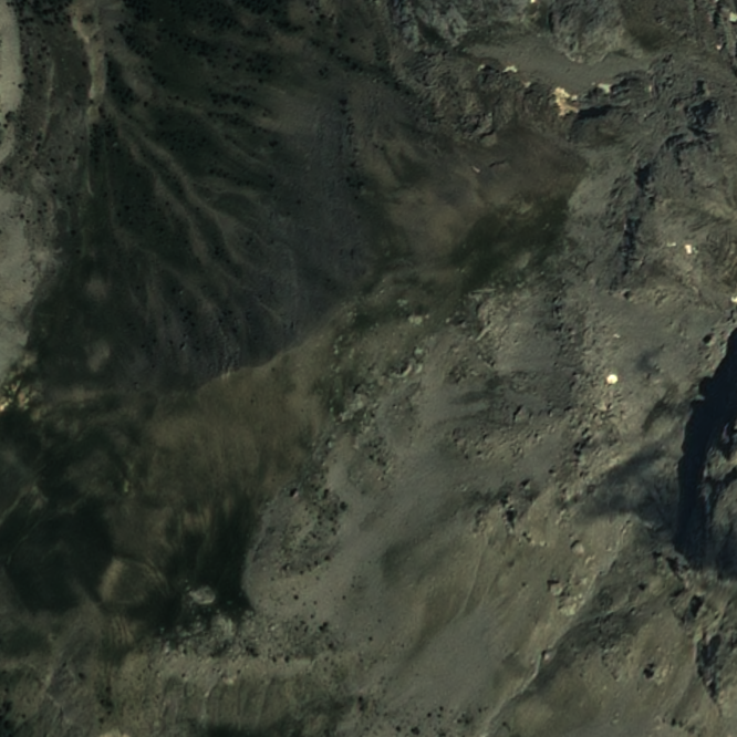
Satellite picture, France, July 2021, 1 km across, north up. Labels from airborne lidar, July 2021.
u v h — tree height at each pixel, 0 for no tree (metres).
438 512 0
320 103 0
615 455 0
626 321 0
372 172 0
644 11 0
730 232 0
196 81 0
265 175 0
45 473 0
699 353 0
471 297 0
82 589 0
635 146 0
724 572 0
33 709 0
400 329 0
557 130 0
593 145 0
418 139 0
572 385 0
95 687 0
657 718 0
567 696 0
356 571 0
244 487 0
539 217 0
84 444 0
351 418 0
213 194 0
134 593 0
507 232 0
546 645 0
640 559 0
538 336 0
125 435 0
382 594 0
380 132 0
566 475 0
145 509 0
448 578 0
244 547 0
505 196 0
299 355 0
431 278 0
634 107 0
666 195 0
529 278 0
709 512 0
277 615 0
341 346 0
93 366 0
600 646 0
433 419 0
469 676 0
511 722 0
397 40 0
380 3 0
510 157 0
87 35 0
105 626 0
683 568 0
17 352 0
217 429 0
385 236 0
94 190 0
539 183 0
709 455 0
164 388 0
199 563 0
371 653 0
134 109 0
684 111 0
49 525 0
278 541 0
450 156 0
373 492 0
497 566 0
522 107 0
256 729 0
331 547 0
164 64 0
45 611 0
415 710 0
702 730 0
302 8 0
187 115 0
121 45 0
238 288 0
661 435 0
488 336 0
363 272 0
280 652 0
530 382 0
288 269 0
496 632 0
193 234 0
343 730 0
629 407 0
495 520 0
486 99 0
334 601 0
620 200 0
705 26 0
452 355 0
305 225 0
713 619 0
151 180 0
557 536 0
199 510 0
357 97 0
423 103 0
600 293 0
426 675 0
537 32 0
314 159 0
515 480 0
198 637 0
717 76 0
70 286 0
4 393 0
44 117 0
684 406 0
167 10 0
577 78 0
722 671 0
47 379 0
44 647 0
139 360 0
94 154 8
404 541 0
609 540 0
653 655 0
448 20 0
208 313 0
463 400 0
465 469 0
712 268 0
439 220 0
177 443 0
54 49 0
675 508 0
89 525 0
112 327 0
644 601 0
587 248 0
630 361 0
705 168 0
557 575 0
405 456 0
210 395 0
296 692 0
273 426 0
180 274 0
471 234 0
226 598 0
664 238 0
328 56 0
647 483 0
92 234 0
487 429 0
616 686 0
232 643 0
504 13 0
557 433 0
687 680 0
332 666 0
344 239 0
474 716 0
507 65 0
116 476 0
